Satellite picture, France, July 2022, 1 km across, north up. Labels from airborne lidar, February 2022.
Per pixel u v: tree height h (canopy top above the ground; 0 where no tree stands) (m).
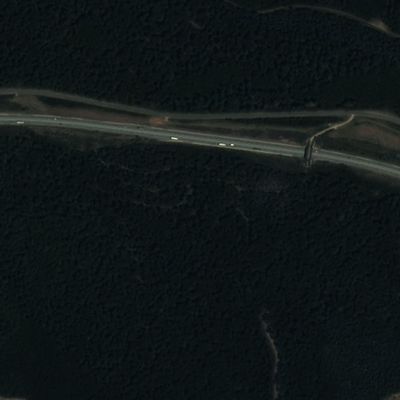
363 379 22
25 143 25
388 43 23
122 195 26
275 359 0
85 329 25
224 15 27
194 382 29
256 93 28
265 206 21
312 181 11
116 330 17
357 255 28
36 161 24
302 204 24
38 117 0
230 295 22
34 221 26
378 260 27
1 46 26
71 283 25
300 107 29
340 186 33
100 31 12
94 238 24
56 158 17
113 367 9
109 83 20
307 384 23
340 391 20
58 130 0
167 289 8
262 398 23
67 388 17
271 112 0
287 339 22
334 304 29
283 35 25
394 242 26
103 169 27
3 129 0
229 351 24
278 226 23
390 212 21
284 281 21
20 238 26
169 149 7
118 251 6
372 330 21
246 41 29
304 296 21
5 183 25
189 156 8
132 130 0
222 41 20
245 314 17
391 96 10
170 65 33
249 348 28
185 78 12
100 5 24
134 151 17
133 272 29
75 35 11
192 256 22
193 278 27
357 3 18
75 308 24
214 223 23
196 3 28
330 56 27
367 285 16
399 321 17
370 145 0
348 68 25
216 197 23
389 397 0
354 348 23
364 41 24
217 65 17
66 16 30
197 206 10
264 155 0
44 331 10
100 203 25
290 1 14
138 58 24
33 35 12
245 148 0
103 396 11
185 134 0
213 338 24
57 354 17
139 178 22
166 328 7
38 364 15
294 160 0
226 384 28
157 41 31
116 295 25
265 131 0
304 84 8
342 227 20
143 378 26
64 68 24
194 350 24
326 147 0
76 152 6
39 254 21
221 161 27
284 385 24
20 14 24
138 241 26
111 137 0
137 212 22
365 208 30
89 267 10
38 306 29
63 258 22
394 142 0
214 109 11
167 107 17
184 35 26
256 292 25
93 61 6
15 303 27
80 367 25
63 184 18
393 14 19
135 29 18
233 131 0
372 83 8
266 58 8
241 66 10
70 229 26
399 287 17
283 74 29
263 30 11
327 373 23
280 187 11
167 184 24
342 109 24
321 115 0
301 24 22
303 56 26
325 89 10
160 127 0
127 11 10
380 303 21
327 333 23
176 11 28
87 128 0
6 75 26
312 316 23
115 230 25
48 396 15
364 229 23
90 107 6
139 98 23
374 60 31
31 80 19
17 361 14
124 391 22
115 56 26
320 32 23
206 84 10
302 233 24
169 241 16
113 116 0
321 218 25
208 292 21
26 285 26
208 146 0
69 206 16
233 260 15
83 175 28
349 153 0
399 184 0
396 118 0
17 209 25
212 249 7
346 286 22
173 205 10
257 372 16
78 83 24
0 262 21
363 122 0
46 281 26
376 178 0
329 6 19
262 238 28
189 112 11
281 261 25
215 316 26
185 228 10
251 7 15
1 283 29
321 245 24
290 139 0
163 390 28
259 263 22
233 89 7
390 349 21
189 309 25
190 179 26
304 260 8
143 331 25
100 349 27
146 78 22
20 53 23
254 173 16
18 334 13
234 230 23
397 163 0
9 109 0
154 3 31
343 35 19
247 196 16
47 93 0
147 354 26
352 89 11
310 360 26
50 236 22
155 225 20
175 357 23
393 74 11
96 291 24
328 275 9
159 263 23
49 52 24
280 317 17
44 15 23
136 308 23
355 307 27
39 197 20
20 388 15
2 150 11
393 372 17
